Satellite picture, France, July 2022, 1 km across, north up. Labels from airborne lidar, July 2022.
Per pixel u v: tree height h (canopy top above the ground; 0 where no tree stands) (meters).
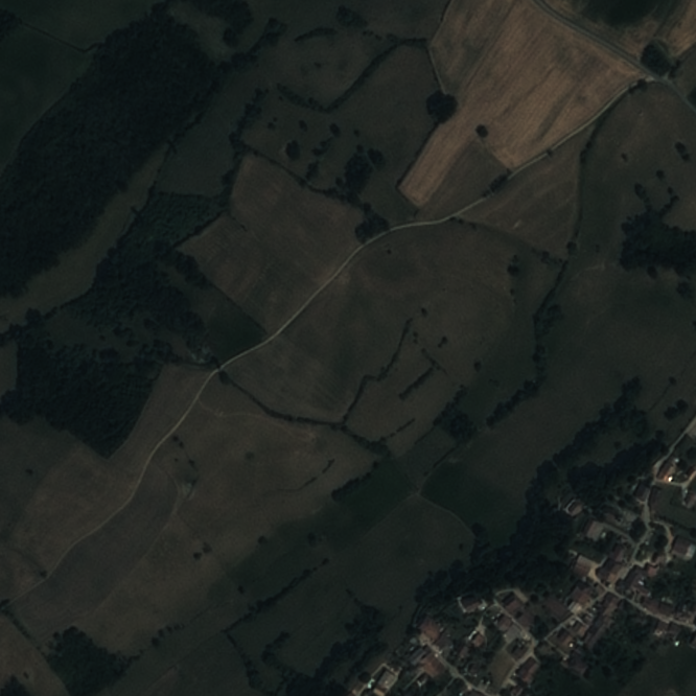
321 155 14
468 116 0
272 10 0
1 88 0
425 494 0
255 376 0
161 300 19
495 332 0
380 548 0
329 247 0
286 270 0
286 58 0
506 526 0
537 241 0
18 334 20
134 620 0
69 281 0
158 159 0
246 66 23
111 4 0
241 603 0
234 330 0
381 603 0
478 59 0
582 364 0
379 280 0
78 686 13
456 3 0
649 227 20
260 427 0
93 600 0
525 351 0
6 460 0
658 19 0
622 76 0
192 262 22
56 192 13
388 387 0
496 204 0
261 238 0
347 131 0
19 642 0
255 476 0
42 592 0
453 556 0
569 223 0
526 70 0
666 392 0
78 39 0
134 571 0
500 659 0
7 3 0
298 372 0
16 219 17
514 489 0
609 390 0
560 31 0
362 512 0
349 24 10
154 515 0
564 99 0
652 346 0
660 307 0
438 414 0
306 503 0
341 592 0
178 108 21
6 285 19
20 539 0
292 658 0
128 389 8
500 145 0
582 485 23
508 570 11
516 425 0
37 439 0
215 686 0
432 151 0
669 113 0
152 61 20
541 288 0
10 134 0
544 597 9
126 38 19
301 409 0
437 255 0
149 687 0
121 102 20
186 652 0
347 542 0
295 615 0
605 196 0
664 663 0
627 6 0
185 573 0
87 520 0
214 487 0
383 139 0
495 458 0
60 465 0
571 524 17
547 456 0
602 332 0
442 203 0
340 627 0
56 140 6
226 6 13
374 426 0
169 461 0
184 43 9
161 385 0
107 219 0
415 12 0
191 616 0
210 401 0
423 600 12
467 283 0
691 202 0
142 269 17
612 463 0
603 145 0
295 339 0
